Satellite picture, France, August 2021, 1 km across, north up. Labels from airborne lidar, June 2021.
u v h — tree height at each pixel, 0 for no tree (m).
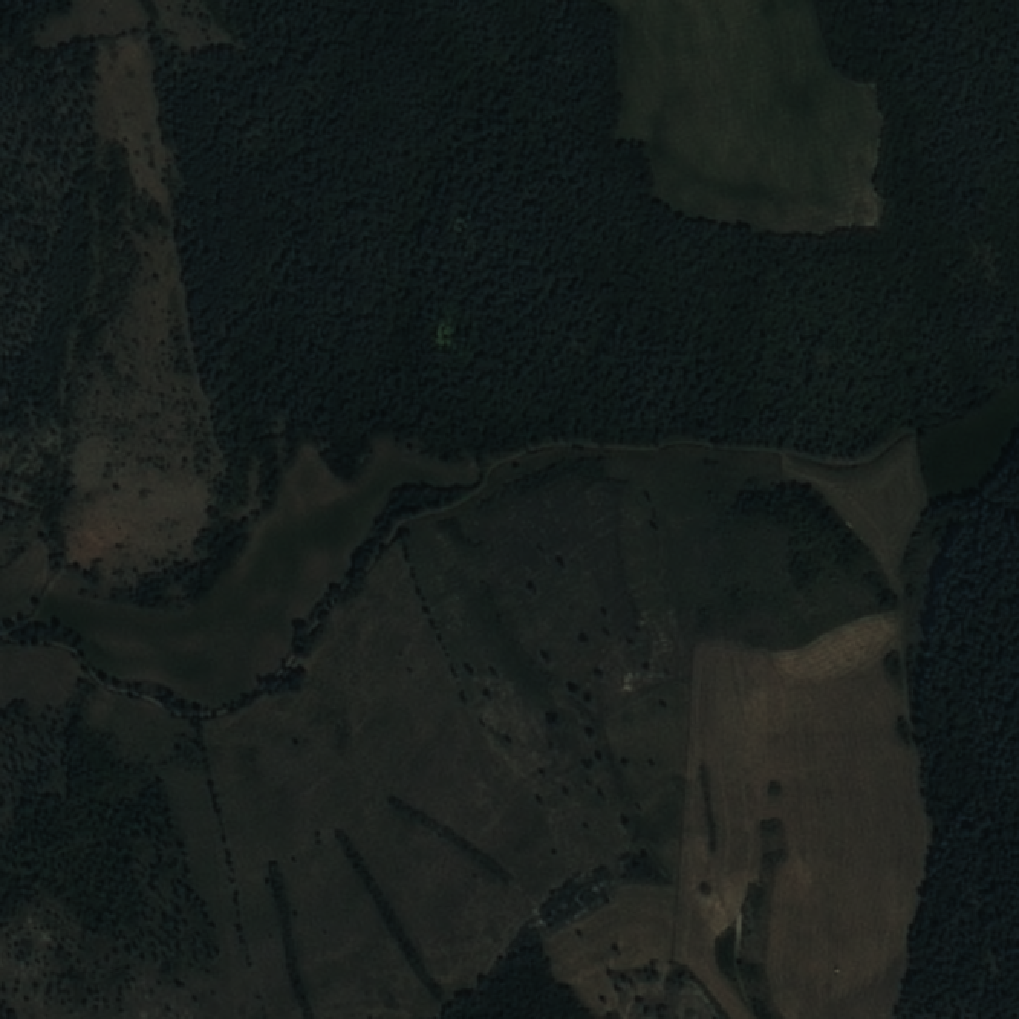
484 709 0
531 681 0
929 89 10
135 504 0
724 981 0
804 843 0
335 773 0
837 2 10
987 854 15
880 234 9
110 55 0
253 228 13
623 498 0
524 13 11
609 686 0
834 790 0
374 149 12
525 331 12
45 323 9
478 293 12
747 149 0
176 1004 0
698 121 0
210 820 0
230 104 12
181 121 11
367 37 12
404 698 0
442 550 0
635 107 0
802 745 0
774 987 0
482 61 10
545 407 9
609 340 11
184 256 10
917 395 10
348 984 0
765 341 11
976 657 14
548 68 16
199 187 15
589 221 12
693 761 0
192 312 13
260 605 0
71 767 8
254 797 0
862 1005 0
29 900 8
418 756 0
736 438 7
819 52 0
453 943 0
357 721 0
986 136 12
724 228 10
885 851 0
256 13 10
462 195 8
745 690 0
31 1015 0
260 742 0
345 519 0
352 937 0
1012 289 10
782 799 0
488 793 0
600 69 10
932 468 0
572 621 0
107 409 0
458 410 7
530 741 0
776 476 0
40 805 8
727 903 0
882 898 0
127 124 0
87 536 0
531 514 0
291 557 0
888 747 0
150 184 0
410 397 8
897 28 10
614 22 14
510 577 0
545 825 0
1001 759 13
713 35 0
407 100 12
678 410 14
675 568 0
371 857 0
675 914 0
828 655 0
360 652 0
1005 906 12
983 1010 9
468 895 0
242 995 0
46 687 0
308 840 0
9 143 10
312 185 15
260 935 0
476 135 10
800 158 0
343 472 8
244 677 0
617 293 13
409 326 12
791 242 12
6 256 11
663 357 12
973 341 9
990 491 11
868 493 0
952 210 14
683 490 0
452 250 11
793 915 0
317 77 11
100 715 0
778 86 0
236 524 8
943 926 15
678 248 12
